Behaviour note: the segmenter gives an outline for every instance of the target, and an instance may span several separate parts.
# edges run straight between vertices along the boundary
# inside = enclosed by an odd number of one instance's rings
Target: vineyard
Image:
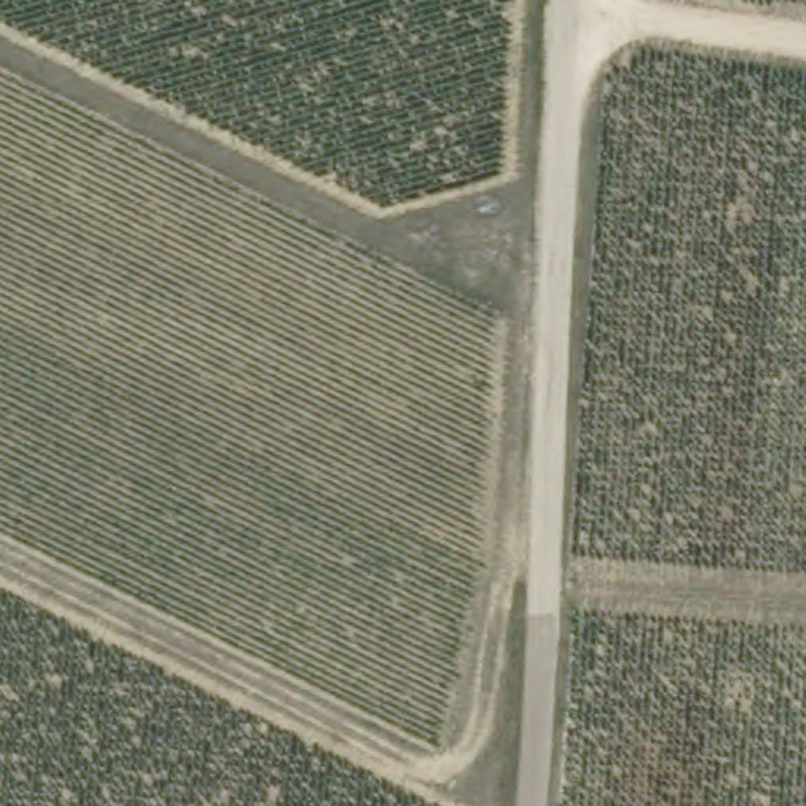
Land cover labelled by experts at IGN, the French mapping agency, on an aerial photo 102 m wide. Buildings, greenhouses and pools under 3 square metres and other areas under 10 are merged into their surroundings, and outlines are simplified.
[[[623,44],[605,60],[605,66],[592,79],[589,94],[579,142],[573,230],[560,526],[560,642],[554,680],[548,806],[806,806],[806,63],[787,57],[756,60],[743,50],[699,47],[671,38],[652,44]]]
[[[485,400],[491,375],[491,327],[497,318],[516,309],[519,280],[538,274],[535,202],[542,126],[519,110],[526,0],[0,0],[0,532],[145,605],[154,605],[164,614],[173,614],[205,633],[214,633],[224,642],[242,649],[246,655],[264,658],[274,667],[438,746],[447,690],[460,677],[460,623],[472,598],[475,573],[485,567],[482,557],[472,557],[482,532],[472,504],[482,494],[482,460],[488,441]]]
[[[41,611],[22,601],[19,595],[0,589],[0,806],[431,806],[422,797],[390,784],[387,778],[378,778],[321,746],[309,746],[296,734],[252,712],[233,708],[230,702],[205,693],[202,686],[183,677],[167,674],[164,667],[139,655],[98,642],[88,630],[76,630],[63,617]]]

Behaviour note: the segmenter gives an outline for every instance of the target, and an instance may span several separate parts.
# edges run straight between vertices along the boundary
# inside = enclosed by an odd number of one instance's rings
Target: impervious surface
[[[576,66],[579,0],[548,0],[542,126],[535,202],[538,274],[529,447],[532,545],[516,806],[548,806],[554,680],[560,642],[560,526],[573,230],[579,142],[589,94],[570,82]]]

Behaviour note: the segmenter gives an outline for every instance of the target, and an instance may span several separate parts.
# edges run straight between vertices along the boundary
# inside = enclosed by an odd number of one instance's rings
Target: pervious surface
[[[762,6],[752,16],[740,16],[658,0],[579,0],[576,66],[570,82],[589,94],[592,79],[605,66],[605,60],[623,44],[652,44],[671,38],[699,47],[743,50],[756,60],[787,57],[806,63],[806,22],[762,16]]]

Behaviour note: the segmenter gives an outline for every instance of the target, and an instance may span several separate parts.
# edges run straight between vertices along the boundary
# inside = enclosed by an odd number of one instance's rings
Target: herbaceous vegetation
[[[542,126],[548,0],[526,0],[519,110]]]
[[[164,667],[167,674],[183,677],[202,686],[205,693],[230,702],[233,708],[252,712],[296,734],[309,746],[321,746],[378,778],[387,778],[390,784],[422,797],[431,806],[516,806],[532,545],[529,447],[538,274],[519,280],[516,309],[497,318],[491,327],[491,375],[485,400],[488,441],[482,460],[482,494],[472,504],[482,532],[472,557],[482,557],[485,567],[475,573],[472,598],[460,623],[460,677],[447,690],[438,746],[274,667],[264,658],[246,655],[242,649],[224,642],[214,633],[205,633],[173,614],[164,614],[154,605],[145,605],[0,532],[0,589],[19,595],[22,601],[41,611],[63,617],[76,630],[88,630],[98,642],[139,655]]]
[[[806,22],[806,0],[658,0],[740,16],[752,16],[762,6],[762,16]]]

